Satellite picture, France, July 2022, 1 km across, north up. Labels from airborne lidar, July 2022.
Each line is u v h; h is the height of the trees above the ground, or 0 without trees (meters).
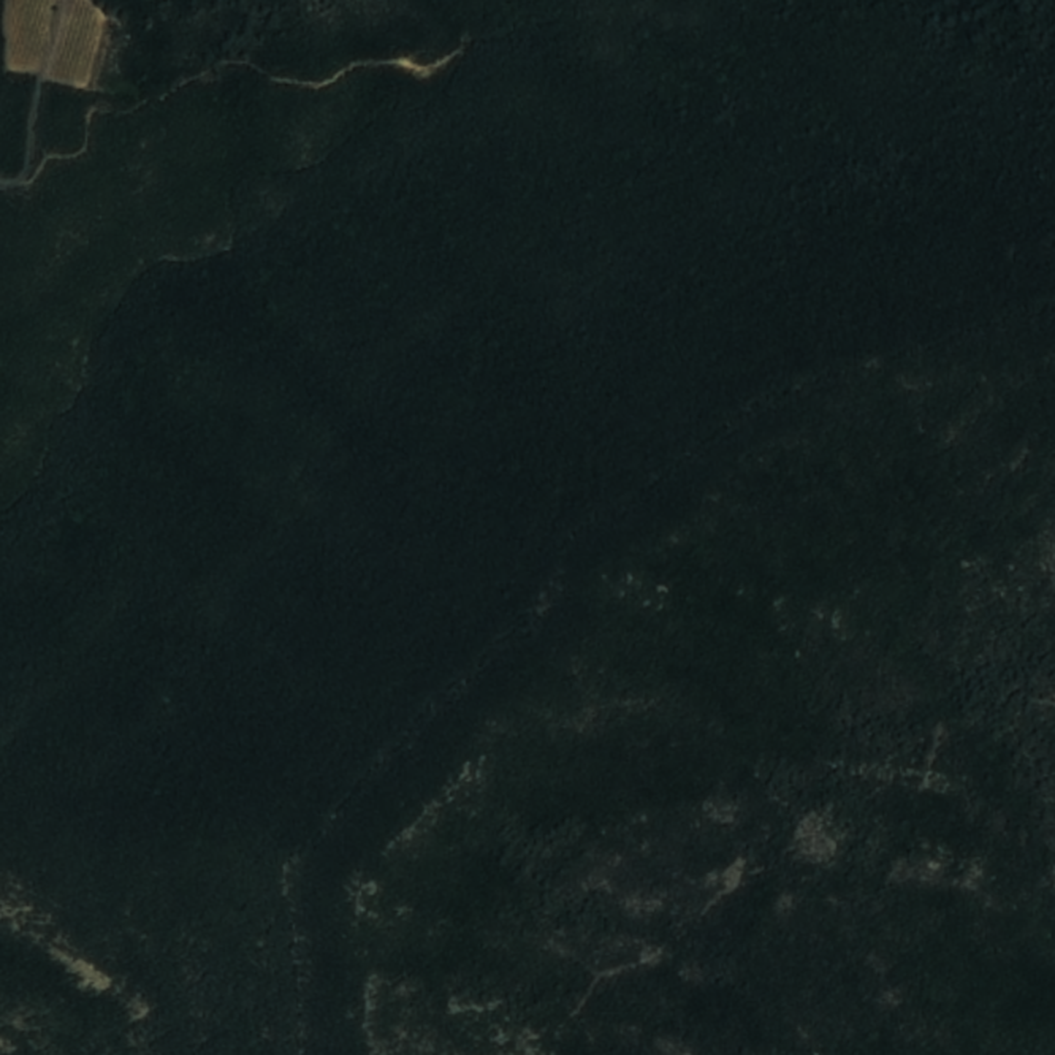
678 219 8
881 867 11
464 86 8
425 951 8
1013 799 8
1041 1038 8
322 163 8
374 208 9
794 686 8
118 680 8
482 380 10
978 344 6
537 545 7
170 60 11
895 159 14
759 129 6
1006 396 8
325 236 8
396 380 8
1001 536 6
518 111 6
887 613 9
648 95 9
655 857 6
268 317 10
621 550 6
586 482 8
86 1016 7
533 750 7
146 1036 5
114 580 6
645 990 6
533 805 9
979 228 9
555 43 12
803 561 8
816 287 8
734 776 8
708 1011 7
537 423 11
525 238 7
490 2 8
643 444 10
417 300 8
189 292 8
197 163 7
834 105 7
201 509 8
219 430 8
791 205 9
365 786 6
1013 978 9
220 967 6
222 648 7
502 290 11
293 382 8
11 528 7
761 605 6
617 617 7
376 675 7
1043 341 5
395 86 11
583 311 7
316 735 8
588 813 7
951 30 14
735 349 9
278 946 6
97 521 10
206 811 7
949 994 8
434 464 9
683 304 10
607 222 5
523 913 7
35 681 6
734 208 8
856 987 8
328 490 7
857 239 9
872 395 8
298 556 9
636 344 9
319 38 8
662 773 11
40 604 8
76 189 5
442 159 8
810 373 7
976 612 6
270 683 10
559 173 8
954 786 5
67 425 6
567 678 7
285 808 7
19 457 6
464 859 8
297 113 8
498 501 11
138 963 6
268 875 6
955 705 7
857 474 6
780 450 6
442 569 10
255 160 9
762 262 10
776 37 8
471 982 6
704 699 7
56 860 6
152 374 9
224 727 9
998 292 9
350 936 6
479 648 7
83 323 6
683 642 10
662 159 10
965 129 11
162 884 7
